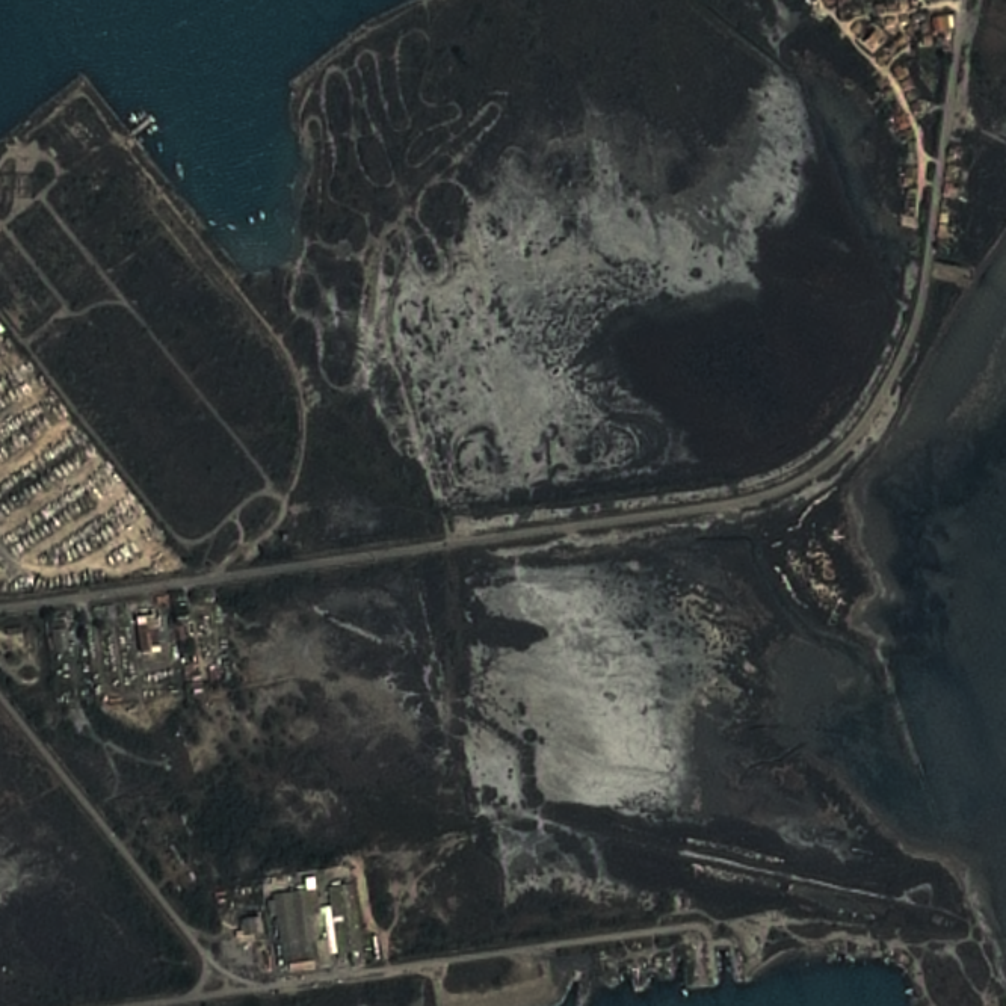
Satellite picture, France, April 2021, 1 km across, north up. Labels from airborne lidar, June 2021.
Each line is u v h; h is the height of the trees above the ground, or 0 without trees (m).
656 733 0
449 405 0
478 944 6
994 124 0
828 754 0
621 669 0
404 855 0
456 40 0
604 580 0
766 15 0
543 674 0
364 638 0
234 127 0
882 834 0
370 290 0
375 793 0
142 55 0
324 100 0
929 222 0
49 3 0
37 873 0
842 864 0
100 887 0
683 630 0
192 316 0
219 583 0
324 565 0
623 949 7
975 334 0
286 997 0
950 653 0
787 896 0
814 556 0
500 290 0
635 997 0
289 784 0
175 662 0
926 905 0
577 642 0
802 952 0
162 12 0
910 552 0
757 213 0
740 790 0
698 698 0
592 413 0
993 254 0
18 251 0
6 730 0
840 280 0
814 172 0
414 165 0
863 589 0
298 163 0
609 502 0
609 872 0
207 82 0
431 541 0
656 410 0
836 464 0
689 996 0
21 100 0
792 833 0
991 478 0
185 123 0
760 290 0
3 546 0
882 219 0
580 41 0
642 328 0
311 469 0
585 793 0
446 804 0
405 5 0
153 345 0
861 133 0
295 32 0
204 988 0
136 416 0
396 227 0
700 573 0
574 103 0
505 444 0
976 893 0
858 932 0
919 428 0
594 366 0
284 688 0
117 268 0
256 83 0
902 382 0
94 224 0
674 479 0
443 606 0
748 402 0
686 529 0
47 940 0
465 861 0
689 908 0
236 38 0
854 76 0
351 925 0
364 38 0
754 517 0
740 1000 0
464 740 0
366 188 0
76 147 0
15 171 0
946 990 0
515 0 0
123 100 0
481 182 0
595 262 0
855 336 0
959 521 0
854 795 0
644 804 0
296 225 0
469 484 0
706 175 0
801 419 0
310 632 0
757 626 0
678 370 0
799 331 0
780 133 0
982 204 0
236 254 0
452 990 0
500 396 0
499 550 0
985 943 0
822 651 0
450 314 0
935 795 0
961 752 0
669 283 0
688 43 0
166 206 0
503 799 0
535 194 0
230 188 0
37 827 0
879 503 0
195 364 0
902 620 0
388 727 0
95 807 0
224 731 0
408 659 0
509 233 0
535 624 0
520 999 0
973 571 0
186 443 0
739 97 0
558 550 0
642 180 0
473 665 0
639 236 0
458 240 0
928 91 0
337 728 0
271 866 6
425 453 0
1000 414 0
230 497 0
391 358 0
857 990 0
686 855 0
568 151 0
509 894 0
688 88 0
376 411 0
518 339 0
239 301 0
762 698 0
